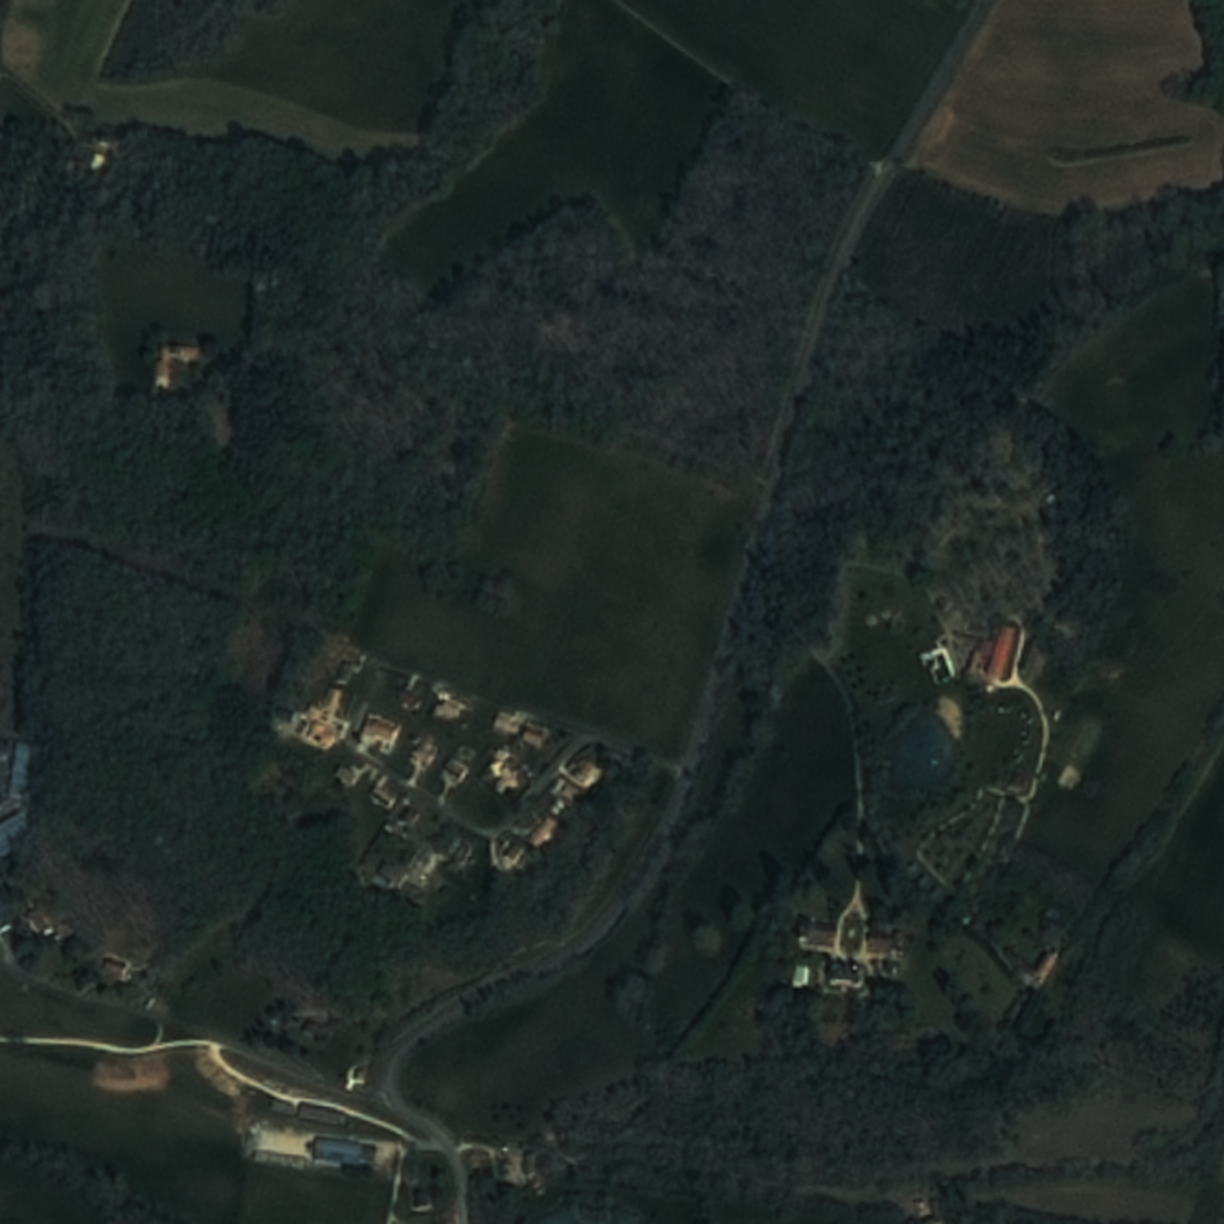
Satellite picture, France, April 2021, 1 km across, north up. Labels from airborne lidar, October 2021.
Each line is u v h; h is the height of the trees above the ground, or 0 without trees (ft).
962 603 71
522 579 0
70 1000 0
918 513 68
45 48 0
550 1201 0
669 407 73
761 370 52
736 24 0
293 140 0
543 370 65
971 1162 41
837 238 71
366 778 0
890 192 21
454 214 0
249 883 72
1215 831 0
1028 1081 72
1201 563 0
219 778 77
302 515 65
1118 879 59
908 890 94
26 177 57
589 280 41
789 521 56
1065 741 23
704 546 0
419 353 53
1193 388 0
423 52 0
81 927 52
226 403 69
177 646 68
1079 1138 0
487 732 0
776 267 56
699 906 0
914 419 82
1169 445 39
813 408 58
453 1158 0
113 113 0
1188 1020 22
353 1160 0
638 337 62
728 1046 0
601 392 59
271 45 0
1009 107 0
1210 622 0
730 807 49
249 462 72
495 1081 0
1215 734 24
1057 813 0
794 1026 62
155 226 67
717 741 0
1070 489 69
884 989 31
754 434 64
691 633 0
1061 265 25
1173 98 42
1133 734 0
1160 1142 45
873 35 0
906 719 24
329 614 58
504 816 0
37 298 52
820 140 55
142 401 64
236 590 54
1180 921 0
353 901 77
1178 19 0
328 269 81
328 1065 0
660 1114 43
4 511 25
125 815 70
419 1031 0
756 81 0
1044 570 54
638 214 0
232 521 65
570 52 0
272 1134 0
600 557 0
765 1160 73
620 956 0
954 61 0
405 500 58
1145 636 0
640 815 76
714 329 65
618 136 0
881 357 42
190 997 32
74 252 53
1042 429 68
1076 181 0
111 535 66
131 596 71
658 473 0
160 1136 0
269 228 66
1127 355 0
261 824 78
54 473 58
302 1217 0
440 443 55
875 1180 43
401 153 0
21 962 37
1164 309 0
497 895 63
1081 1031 52
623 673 0
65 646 51
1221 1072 37
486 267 50
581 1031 0
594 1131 35
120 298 0
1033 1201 0
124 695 71
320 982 50
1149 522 0
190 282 0
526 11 69
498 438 42
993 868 30
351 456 68
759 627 80
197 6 23
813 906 66
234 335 0
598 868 72
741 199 52
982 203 23
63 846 72
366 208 82
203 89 0
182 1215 0
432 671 0
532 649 0
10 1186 0
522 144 0
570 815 69
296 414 65
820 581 79
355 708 0
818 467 42
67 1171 53
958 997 83
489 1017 62
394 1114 0
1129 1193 0
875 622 0
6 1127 0
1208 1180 23
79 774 74
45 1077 0
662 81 0
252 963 42
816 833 0
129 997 52
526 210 0
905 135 0
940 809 32
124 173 19
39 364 35
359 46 0
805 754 0
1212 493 0
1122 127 0
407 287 60
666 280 47
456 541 77
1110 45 0
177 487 74
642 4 0
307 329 70
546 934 50
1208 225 87
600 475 0
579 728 0
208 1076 0
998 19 0
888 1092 70
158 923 55
